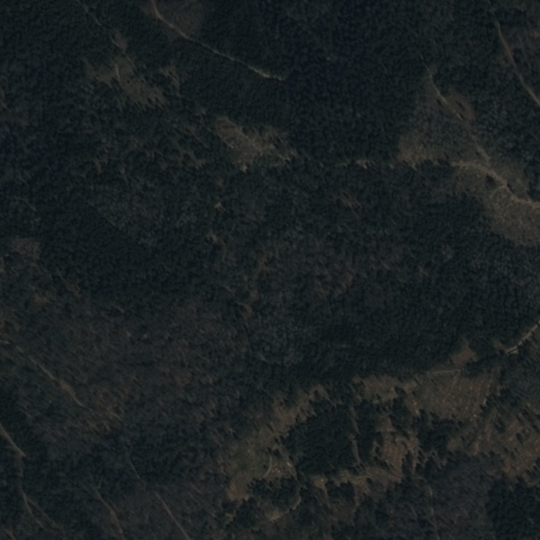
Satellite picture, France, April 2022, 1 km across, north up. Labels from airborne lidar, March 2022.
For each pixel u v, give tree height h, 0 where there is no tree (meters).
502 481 13
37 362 23
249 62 12
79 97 12
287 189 22
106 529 26
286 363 26
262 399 24
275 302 27
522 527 25
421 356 17
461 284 21
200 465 26
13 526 16
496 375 19
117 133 8
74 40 17
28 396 23
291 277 20
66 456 34
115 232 26
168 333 25
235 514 15
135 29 16
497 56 25
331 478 30
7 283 30
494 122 25
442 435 26
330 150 21
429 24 23
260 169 18
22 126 21
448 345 8
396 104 21
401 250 25
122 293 28
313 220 12
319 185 17
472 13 26
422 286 22
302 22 29
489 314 20
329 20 23
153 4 11
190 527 26
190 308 24
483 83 19
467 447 19
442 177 22
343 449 27
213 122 20
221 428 24
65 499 12
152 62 10
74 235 30
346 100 21
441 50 20
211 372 25
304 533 14
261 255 24
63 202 26
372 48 21
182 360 24
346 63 22
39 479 16
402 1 23
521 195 0
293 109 13
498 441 22
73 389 32
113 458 29
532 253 20
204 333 22
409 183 17
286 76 13
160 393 28
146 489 25
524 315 15
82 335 27
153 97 0
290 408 27
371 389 26
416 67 25
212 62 15
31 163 17
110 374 24
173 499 28
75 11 20
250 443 22
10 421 14
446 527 32
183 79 13
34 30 22
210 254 12
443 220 19
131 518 28
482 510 29
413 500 31
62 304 29
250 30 13
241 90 17
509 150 16
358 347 19
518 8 12
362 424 30
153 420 31
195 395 23
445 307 23
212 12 15
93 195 21
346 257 25
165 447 21
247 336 30
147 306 27
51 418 17
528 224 0
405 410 25
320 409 25
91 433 35
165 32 14
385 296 18
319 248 21
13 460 11
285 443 24
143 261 26
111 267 31
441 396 24
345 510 25
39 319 29
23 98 20
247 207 17
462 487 29
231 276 14
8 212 9
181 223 28
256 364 24
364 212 22
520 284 27
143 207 22
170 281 9
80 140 20
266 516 18
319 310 16
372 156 22
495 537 28
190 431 26
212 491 29
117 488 22
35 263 21
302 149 22
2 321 32
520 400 19
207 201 22
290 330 22
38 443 12
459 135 18
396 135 10
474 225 25
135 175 13
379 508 16
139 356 27
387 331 22
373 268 26
